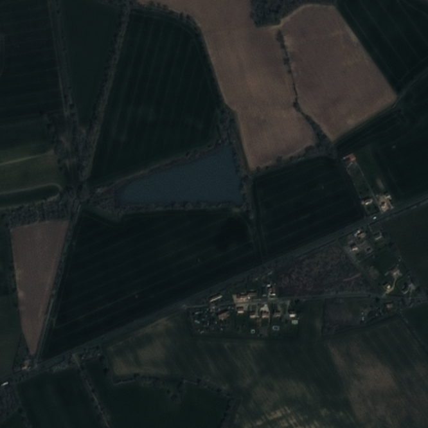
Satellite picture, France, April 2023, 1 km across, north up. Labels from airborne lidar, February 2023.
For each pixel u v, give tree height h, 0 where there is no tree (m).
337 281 0
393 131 0
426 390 0
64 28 0
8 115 0
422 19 0
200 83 0
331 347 0
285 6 27
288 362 0
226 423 11
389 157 0
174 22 0
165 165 0
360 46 0
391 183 0
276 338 0
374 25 0
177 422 0
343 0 0
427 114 0
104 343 0
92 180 0
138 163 0
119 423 0
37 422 0
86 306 0
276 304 0
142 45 0
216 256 0
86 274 0
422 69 0
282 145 0
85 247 0
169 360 0
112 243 0
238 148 0
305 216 0
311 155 15
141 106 0
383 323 0
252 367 0
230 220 0
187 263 0
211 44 0
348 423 0
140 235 0
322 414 0
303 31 0
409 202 0
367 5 0
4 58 0
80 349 0
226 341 0
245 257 0
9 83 0
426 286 0
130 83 0
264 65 0
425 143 0
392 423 0
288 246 0
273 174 0
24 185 0
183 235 0
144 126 0
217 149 0
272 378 0
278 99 0
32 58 0
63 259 0
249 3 0
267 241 0
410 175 0
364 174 0
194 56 0
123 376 0
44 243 0
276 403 0
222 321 6
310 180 0
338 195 0
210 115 0
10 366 0
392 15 0
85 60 0
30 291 0
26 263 0
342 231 0
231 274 0
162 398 0
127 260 0
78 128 12
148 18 0
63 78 0
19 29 0
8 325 0
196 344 0
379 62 0
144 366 0
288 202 0
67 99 14
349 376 0
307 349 0
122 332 0
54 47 0
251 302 0
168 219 0
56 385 0
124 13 16
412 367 0
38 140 0
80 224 0
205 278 0
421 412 0
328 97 0
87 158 22
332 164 0
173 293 0
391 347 0
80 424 0
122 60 0
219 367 0
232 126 17
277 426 0
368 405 0
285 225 0
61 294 0
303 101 0
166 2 0
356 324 0
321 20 0
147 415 0
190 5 0
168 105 0
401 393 0
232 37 0
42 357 0
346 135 0
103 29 0
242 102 0
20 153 0
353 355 0
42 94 0
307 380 0
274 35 0
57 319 0
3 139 0
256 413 0
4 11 0
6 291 0
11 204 0
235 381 0
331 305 0
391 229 0
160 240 0
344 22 0
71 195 23
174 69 0
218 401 0
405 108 0
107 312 0
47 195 0
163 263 0
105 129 0
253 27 0
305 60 0
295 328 0
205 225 0
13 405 18
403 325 0
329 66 0
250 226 0
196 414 0
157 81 0
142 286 0
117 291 0
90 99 0
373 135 0
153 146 0
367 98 0
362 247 0
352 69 0
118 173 0
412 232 0
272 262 0
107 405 0
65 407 0
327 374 0
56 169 0
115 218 0
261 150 0
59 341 0
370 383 0
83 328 0
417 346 0
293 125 0
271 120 0
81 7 0
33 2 0
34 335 0
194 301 0
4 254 0
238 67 0
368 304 0
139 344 0
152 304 0
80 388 0
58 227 0
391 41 0
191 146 0
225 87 0
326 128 0
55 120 0
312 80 0
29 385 0
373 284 0
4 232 0
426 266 0
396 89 0
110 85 16
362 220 0
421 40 0
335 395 0
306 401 0
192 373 0
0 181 0
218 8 0
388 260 0
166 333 0
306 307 0
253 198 0
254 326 0
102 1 16
